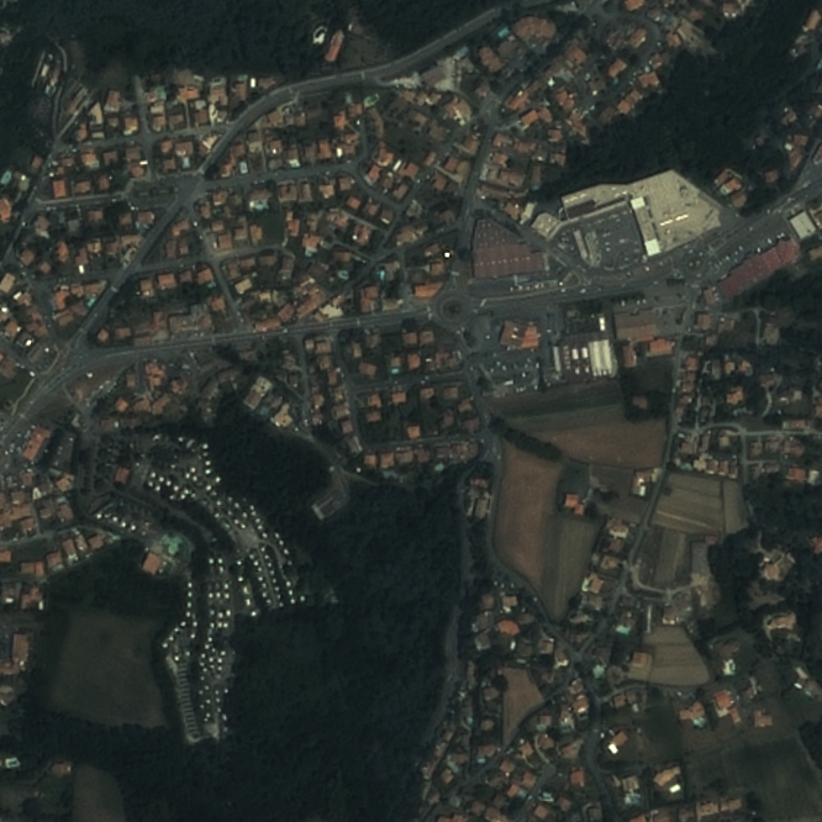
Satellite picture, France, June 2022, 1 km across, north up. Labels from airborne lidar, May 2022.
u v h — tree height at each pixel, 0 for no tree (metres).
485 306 0
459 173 0
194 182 0
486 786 9
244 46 21
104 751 21
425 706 19
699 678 0
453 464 8
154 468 8
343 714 19
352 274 8
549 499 0
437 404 11
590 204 0
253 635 7
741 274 0
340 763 22
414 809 22
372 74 0
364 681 16
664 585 0
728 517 0
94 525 6
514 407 0
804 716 0
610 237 0
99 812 0
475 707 6
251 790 28
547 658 15
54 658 0
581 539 0
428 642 17
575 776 0
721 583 18
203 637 10
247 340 0
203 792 21
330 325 0
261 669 7
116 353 0
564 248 0
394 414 13
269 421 8
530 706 0
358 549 23
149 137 0
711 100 28
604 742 7
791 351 22
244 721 20
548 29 0
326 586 25
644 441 0
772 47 21
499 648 6
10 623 0
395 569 24
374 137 6
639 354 6
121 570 7
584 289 0
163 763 20
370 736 17
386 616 17
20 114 7
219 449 13
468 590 17
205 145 0
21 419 0
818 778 0
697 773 0
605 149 23
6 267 7
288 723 9
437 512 22
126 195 0
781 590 12
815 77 10
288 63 19
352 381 0
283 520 22
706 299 0
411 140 0
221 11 19
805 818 0
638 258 0
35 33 9
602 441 0
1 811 6
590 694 10
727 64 20
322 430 9
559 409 0
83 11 15
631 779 0
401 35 11
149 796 12
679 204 0
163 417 8
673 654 0
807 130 19
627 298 6
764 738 0
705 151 15
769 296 22
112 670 0
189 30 22
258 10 21
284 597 20
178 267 0
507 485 0
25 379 0
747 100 17
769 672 0
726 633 7
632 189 0
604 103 7
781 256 0
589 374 0
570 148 11
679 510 0
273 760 15
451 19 23
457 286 0
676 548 0
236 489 14
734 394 0
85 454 18
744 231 0
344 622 23
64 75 14
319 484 9
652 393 8
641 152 26
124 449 10
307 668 7
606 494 6
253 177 0
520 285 0
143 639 0
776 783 0
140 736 19
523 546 0
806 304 20
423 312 0
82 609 0
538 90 6
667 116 20
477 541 20
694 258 0
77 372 0
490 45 7
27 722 12
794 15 22
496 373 0
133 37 8
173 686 12
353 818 26
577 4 9
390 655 12
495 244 0
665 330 0
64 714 7
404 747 12
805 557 26
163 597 6
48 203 0
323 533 19
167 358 0
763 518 21
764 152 20
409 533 12
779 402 0
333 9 6
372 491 9
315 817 8
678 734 0
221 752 16
